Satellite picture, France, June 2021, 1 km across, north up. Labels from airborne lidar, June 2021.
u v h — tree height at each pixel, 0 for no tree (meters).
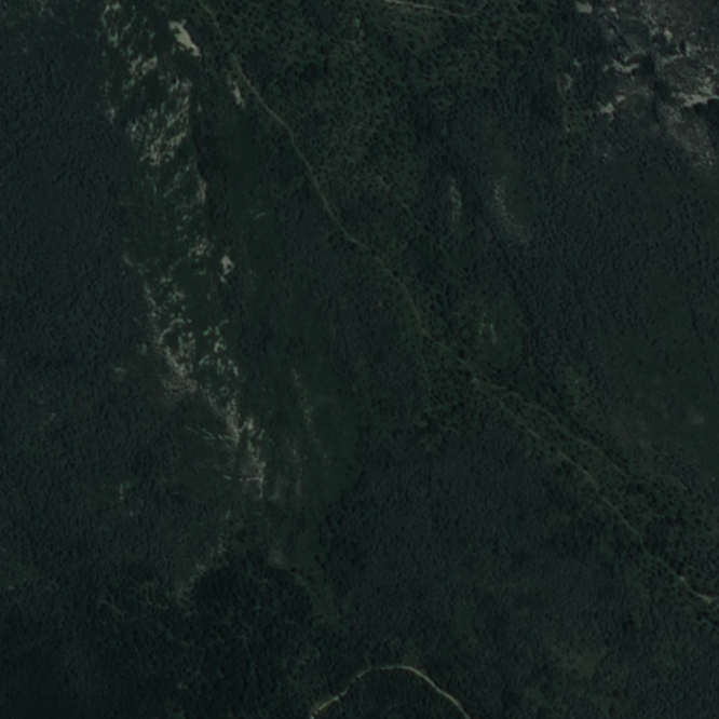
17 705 16
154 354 0
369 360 13
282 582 15
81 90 7
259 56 13
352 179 13
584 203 9
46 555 9
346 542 22
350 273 6
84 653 9
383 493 8
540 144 7
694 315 9
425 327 10
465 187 16
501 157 0
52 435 13
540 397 12
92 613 15
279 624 13
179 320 7
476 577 8
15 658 16
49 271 13
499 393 8
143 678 11
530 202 7
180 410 7
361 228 9
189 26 11
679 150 6
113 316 9
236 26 12
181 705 7
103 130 7
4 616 19
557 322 11
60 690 14
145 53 16
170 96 13
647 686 11
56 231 14
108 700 13
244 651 12
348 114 12
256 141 10
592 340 8
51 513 13
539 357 13
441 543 12
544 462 9
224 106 7
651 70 6
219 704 19
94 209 9
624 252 6
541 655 6
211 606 12
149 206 9
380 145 7
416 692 8
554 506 10
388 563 12
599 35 7
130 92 6
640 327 8
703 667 9
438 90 11
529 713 7
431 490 10
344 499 17
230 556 12
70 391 8
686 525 19
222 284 11
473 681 7
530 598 11
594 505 7
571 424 8
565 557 11
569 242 9
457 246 11
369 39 12
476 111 9
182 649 6
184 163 7
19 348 11
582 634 8
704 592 12
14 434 8
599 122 9
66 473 8
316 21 8
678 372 7
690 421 0
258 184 6
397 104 7
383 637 6
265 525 9
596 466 7
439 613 12
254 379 8
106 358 6
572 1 6
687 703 9
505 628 9
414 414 8
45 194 14
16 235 9
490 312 8
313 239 14
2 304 9
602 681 9
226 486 0
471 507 10
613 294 7
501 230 6
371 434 13
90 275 7
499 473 9
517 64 12
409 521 15
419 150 10
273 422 8
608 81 9
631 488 16
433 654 9
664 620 11
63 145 13
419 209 17
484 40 11
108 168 10
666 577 8
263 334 11
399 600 11
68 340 10
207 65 9
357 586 11
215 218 12
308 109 11
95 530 9
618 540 8
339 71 12
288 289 9
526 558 12
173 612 10
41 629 12
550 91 7
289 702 12
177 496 8
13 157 9
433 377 10
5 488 11
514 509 9
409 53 11
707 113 11
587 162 7
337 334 7
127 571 14
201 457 0
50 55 7
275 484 10
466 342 13
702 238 9
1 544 6
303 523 8
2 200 12
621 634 9
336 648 9
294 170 8
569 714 8
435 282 9
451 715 12
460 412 11
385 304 10
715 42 0
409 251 8
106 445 8
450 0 13
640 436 0
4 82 7
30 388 6
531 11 12
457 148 11
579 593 11
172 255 6
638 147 8
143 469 11
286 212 7
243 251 6
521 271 11
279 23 15
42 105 8
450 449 10
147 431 7
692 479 6
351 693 9
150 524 9
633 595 8
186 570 0
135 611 10
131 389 8
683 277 7
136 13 7
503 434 9
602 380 11
